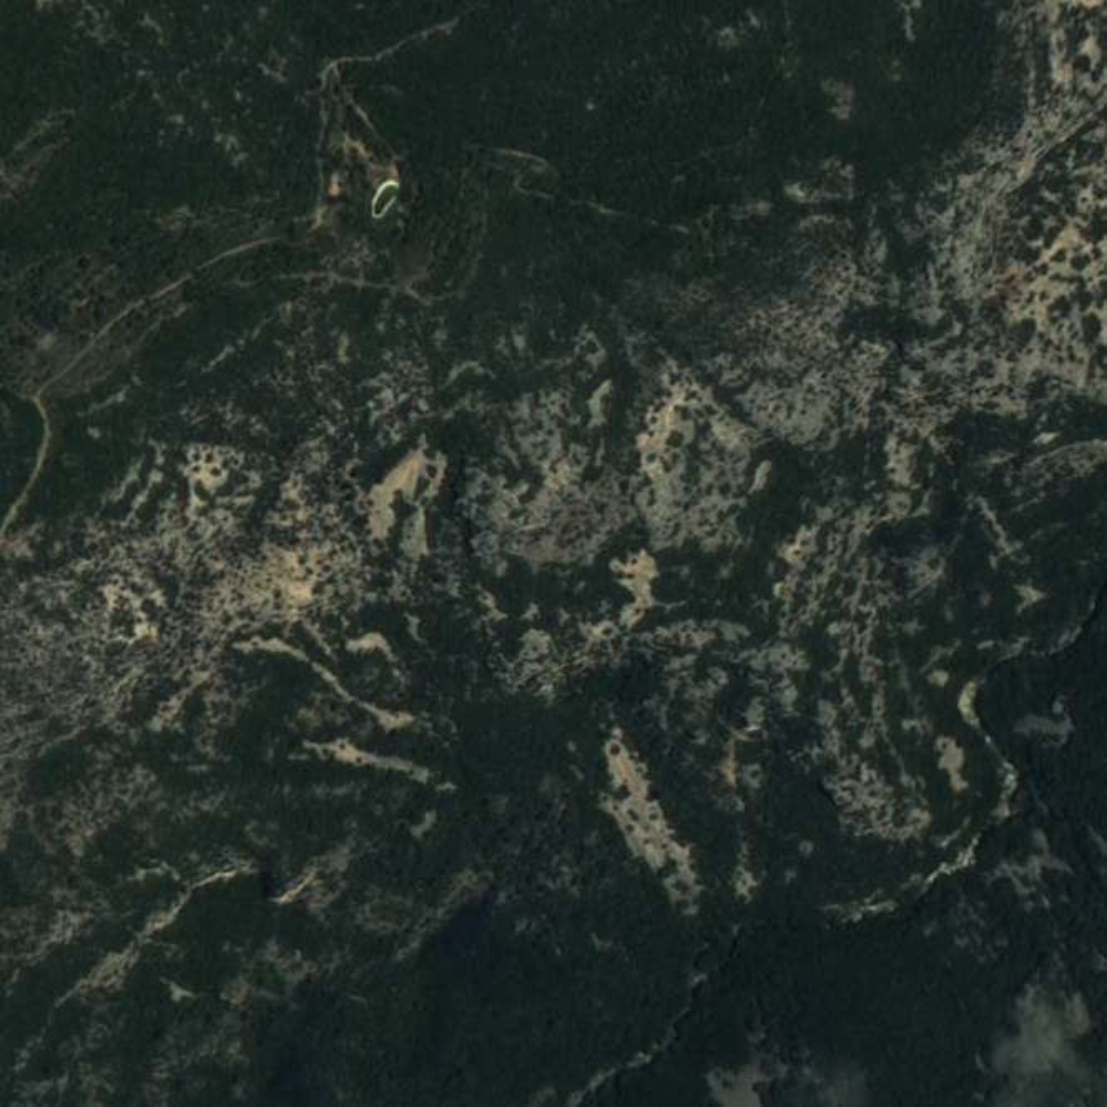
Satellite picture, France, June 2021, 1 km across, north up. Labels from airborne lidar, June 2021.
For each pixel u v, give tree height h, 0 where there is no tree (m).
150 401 7
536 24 9
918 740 7
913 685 8
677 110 11
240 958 10
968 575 9
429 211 10
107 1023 6
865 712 9
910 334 9
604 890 10
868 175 10
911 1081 11
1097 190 6
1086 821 11
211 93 6
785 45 8
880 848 11
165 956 7
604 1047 16
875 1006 13
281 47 7
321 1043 9
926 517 7
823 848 9
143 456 8
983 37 10
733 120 8
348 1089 7
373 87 6
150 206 7
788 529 8
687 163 11
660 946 15
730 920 16
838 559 7
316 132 6
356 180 11
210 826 8
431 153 12
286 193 9
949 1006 12
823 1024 8
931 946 10
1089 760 7
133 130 6
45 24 6
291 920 10
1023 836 10
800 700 8
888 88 6
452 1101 12
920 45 11
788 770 13
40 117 7
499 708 8
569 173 10
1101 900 10
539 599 6
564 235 7
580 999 9
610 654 11
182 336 7
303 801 7
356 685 7
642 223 10
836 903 8
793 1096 12
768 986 15
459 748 9
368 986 11
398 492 6
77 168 9
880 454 7
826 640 6
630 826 7
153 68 6
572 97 8
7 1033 9
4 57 6
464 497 5
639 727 16
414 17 7
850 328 7
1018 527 12
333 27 13
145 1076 6
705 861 10
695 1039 16
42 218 6
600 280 7
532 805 6
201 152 6
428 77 7
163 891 8
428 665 7
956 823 9
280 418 6
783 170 8
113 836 5
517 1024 11
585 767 8
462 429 7
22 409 6
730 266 5
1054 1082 8
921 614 8
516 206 10
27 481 6
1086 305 7
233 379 6
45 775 6
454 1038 12
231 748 8
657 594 7
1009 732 12
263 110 7
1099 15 10
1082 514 18
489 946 7
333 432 8
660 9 6
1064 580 10
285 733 7
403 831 11
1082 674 16
